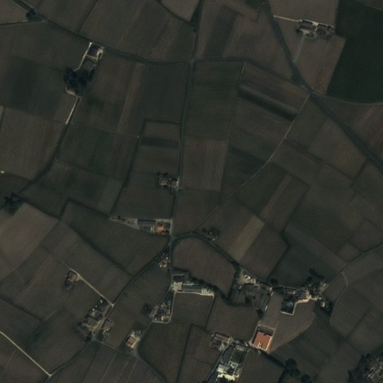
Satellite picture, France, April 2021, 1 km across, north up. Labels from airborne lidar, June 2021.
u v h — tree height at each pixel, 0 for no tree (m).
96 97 0
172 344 0
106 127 0
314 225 0
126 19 0
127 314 0
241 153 0
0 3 0
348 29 0
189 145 0
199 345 0
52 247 0
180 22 0
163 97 0
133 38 0
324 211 0
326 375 0
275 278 0
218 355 0
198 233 0
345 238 0
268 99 0
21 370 0
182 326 0
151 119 0
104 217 0
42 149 0
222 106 0
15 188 0
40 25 0
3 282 0
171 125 0
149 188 0
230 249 0
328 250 0
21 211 0
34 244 0
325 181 0
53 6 0
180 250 0
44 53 0
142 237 0
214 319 0
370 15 0
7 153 0
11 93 0
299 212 0
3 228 0
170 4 0
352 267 0
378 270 0
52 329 0
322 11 0
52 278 0
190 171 0
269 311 0
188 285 0
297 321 0
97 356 0
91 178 0
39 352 0
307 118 0
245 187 0
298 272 0
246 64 0
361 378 13
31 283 0
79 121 0
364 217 0
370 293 0
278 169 0
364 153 0
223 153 0
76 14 0
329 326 0
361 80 0
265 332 0
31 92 0
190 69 0
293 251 0
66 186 0
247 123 0
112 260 0
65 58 0
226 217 0
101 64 0
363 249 0
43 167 0
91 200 0
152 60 0
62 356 0
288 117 0
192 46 0
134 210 0
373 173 0
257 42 0
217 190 0
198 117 0
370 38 0
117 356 0
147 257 0
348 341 0
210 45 0
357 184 0
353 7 0
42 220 0
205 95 0
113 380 0
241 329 0
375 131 0
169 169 0
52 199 0
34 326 0
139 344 0
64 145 0
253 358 0
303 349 0
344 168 0
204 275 0
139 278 0
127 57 0
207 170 0
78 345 0
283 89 0
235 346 6
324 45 0
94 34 0
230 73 0
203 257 0
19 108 0
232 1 0
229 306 0
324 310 9
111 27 0
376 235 0
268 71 0
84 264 0
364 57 0
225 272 0
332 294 0
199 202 0
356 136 0
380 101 0
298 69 0
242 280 0
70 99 0
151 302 0
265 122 0
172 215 0
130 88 0
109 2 0
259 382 0
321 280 20
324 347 0
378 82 0
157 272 0
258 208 0
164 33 0
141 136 0
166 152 0
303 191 0
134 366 0
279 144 0
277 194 0
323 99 0
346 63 0
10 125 0
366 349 0
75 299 0
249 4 0
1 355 0
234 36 0
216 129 0
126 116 0
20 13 0
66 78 0
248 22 0
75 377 0
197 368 0
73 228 0
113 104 0
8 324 0
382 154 0
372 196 0
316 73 0
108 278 0
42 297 0
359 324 0
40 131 0
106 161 0
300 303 0
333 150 0
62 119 0
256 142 0
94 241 0
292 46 0
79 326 6
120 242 0
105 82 0
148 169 0
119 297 0
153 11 0
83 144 0
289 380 0
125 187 0
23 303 0
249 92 0
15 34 0
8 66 0
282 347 0
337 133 0
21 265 0
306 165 0
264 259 0
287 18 0
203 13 0
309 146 0
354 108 0
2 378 0
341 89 0
